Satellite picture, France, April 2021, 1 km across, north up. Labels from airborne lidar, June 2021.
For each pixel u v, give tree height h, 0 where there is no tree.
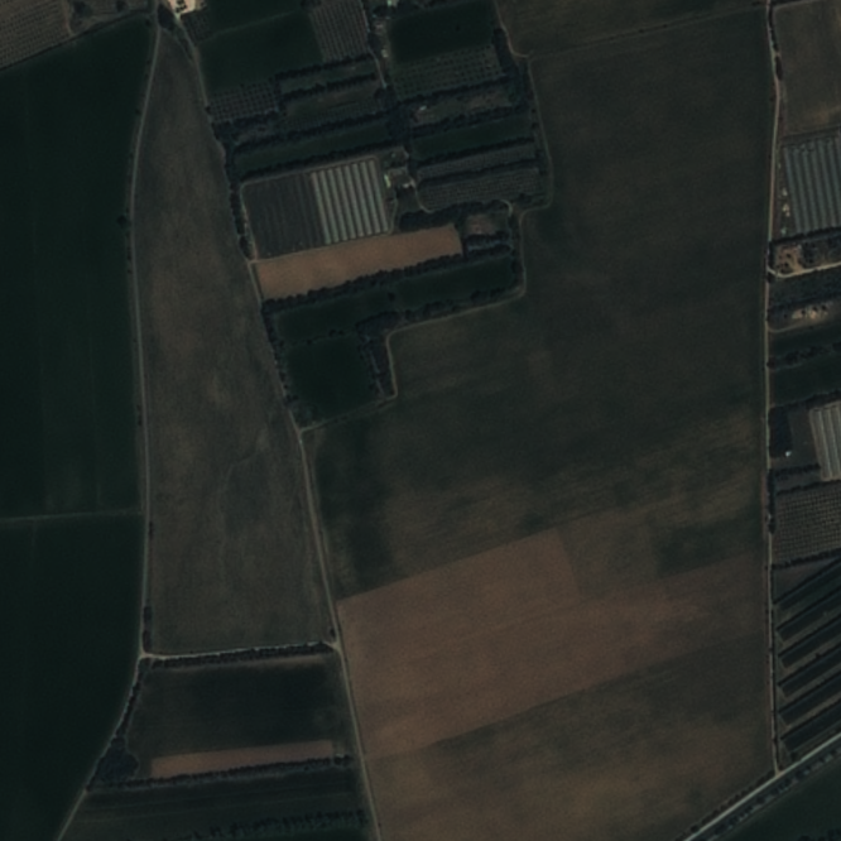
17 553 0
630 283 0
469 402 0
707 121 0
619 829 0
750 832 0
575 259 0
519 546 0
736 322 0
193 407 0
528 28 0
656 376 0
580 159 0
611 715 0
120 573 0
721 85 0
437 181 9
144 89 0
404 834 0
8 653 0
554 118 0
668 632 0
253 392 0
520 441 0
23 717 0
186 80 0
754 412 0
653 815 0
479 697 0
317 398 0
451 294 0
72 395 0
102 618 0
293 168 14
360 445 0
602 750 0
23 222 0
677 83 0
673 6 0
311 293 8
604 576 0
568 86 0
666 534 0
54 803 0
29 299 0
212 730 0
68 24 0
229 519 0
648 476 0
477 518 0
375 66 0
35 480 0
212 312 0
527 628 0
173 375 0
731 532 0
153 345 0
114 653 0
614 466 0
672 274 0
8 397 0
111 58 0
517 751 0
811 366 0
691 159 0
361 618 0
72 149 0
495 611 0
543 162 8
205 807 0
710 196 0
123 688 0
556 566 0
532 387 0
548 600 0
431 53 0
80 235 0
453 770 0
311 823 13
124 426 0
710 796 0
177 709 0
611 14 0
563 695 0
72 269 0
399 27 0
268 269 0
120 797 0
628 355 0
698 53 0
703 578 0
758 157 0
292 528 0
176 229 0
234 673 0
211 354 0
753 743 0
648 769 0
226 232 0
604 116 0
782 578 0
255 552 0
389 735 0
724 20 0
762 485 0
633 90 0
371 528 0
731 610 0
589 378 0
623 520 0
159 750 0
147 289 0
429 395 0
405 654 0
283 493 0
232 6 0
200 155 0
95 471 0
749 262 0
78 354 0
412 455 0
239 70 0
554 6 0
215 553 0
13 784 0
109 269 0
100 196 0
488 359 0
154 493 0
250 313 0
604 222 0
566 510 0
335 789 0
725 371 0
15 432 0
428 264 8
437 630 0
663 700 0
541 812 0
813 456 0
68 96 0
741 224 0
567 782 0
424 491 0
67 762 0
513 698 0
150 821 0
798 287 0
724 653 0
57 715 0
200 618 0
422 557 0
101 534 0
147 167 0
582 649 0
